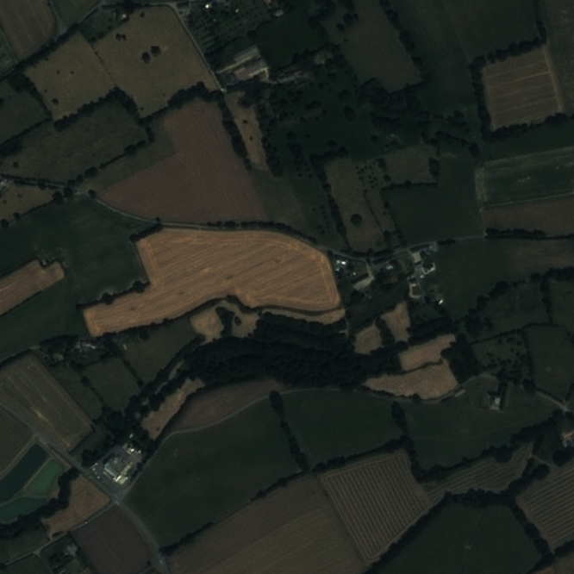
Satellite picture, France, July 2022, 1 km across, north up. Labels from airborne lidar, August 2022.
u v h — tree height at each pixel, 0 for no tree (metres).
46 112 7
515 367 7
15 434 0
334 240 0
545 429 20
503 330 0
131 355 0
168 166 0
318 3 8
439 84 0
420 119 16
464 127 12
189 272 0
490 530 0
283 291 0
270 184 0
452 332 15
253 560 0
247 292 0
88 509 0
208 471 0
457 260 0
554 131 0
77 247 0
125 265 0
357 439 0
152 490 0
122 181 0
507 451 21
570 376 0
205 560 0
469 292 0
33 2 0
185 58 0
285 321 8
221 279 0
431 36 0
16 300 0
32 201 0
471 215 0
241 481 0
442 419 0
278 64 0
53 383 0
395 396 7
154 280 0
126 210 0
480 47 0
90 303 7
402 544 14
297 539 0
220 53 13
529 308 0
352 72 11
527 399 0
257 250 0
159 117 7
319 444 0
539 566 14
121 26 0
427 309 0
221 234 0
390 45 0
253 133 0
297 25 0
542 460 0
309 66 7
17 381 0
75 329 0
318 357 18
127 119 0
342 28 14
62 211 0
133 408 16
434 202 0
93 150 0
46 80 0
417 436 0
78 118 8
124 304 0
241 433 0
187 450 0
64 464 0
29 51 0
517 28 0
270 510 0
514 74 0
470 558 0
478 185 0
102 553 0
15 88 7
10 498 0
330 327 11
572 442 0
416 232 0
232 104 0
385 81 0
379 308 0
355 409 0
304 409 0
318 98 0
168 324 13
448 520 0
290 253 0
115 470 0
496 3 0
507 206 0
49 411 0
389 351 18
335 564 0
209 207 0
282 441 0
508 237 6
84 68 0
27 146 0
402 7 0
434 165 21
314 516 0
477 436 0
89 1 0
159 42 0
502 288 20
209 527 9
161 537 0
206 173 0
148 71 0
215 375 16
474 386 0
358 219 14
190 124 0
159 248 0
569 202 0
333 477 0
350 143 0
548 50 0
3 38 0
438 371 0
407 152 0
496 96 0
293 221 0
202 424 0
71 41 0
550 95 0
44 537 0
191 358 17
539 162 0
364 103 25
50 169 0
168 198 0
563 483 0
